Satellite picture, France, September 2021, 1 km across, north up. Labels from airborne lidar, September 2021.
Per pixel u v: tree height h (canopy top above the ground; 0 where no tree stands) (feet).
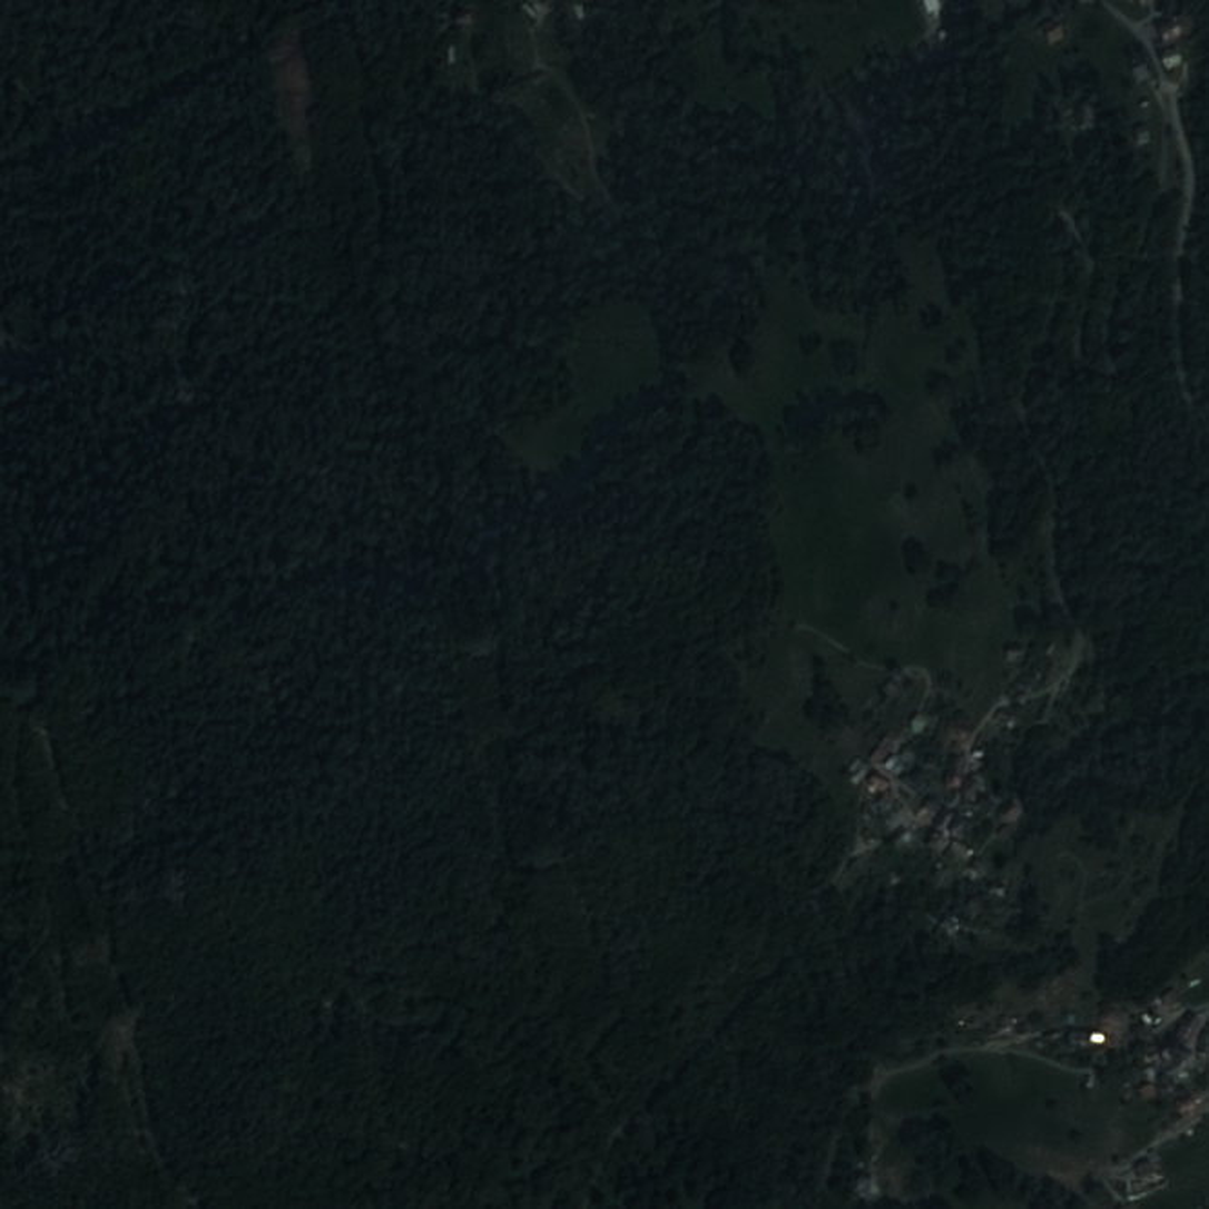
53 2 62
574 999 28
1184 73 0
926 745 25
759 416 0
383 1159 84
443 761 80
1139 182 49
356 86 31
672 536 62
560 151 0
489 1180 75
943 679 21
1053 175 43
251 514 111
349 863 69
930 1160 76
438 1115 89
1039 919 31
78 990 61
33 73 58
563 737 78
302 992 53
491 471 76
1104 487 79
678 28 24
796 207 77
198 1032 81
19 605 92
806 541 0
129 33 60
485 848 75
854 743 0
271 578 69
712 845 82
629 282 68
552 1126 59
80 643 95
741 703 74
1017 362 66
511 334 103
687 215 39
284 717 83
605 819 68
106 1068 46
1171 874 53
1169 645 66
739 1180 97
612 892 58
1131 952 43
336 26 35
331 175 37
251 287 103
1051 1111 30
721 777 84
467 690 28
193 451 64
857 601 0
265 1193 69
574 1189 57
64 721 59
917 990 65
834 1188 42
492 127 53
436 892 73
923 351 0
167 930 67
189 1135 75
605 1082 100
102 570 75
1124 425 19
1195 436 55
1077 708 24
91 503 73
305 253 84
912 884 22
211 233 85
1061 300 47
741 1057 48
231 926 44
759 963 66
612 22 85
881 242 83
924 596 0
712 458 93
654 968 84
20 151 53
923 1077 0
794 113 60
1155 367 61
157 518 56
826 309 52
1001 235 64
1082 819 41
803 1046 76
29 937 17
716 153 73
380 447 58
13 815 57
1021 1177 56
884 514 0
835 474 0
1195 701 75
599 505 87
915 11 0
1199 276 82
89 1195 74
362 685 57
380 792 78
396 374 79
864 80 0
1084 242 29
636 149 51
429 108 75
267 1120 75
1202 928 58
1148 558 64
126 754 73
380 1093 56
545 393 71
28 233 70
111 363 67
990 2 0
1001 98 57
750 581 50
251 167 41
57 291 67
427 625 68
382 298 98
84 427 87
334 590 97
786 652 0
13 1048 72
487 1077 80
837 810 81
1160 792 56
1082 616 79
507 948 59
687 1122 87
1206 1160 0
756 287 82
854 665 26
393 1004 90
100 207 70
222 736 94
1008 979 52
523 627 53
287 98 0
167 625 110
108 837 64
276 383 65
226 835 68
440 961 93
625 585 45
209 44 60
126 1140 31
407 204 36
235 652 69
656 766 85
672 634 62
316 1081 80
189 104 71
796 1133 90
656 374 0
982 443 78
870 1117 49
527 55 0
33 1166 65
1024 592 27
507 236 84
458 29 25
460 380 108
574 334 59
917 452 0
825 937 110
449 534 102
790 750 0
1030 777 45
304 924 60
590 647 58
